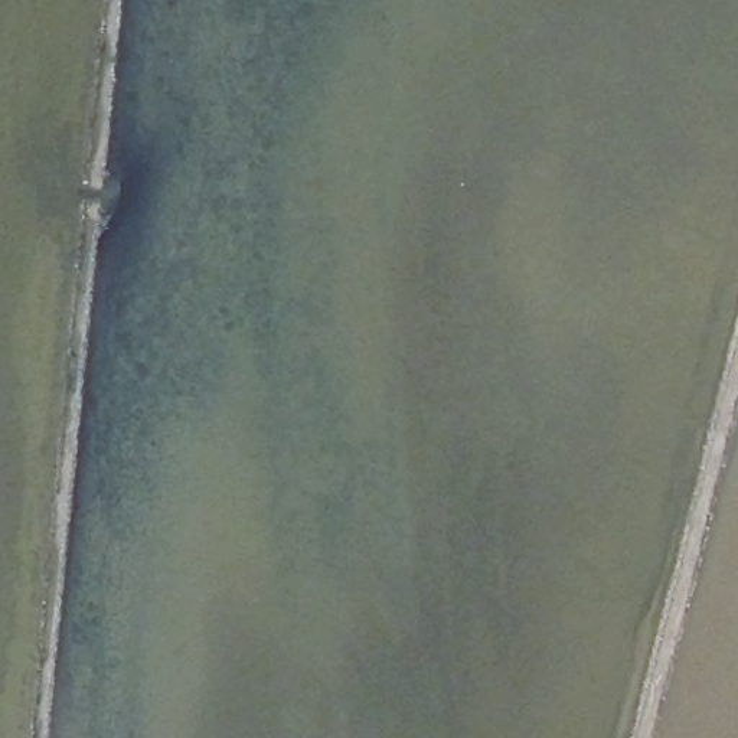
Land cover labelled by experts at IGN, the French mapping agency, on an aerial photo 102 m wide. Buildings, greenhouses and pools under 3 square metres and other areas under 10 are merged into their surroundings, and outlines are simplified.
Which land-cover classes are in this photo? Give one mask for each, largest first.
<instances>
[{"label":"water","instance_id":"1","mask_svg":"<svg viewBox=\"0 0 738 738\"><path fill-rule=\"evenodd\" d=\"M110 6L104 0H0V738H43L40 695L58 551L55 499L61 493L69 398L75 386L78 308L84 294L89 205H101L104 231L98 236L95 254L78 455L66 530L58 660L46 738H640L634 732L637 709L666 594L677 565L683 528L701 479L703 447L709 438V424L724 378L726 340L738 343V0H121L107 176L101 187H86L84 182L92 173L98 150L101 86L107 69ZM649 738H738V435L724 450V464L712 490L706 530L701 536V554L692 574V594L683 614L680 640L675 646V657L657 703L654 732Z\"/></svg>","mask_w":738,"mask_h":738},{"label":"pervious surface","instance_id":"2","mask_svg":"<svg viewBox=\"0 0 738 738\"><path fill-rule=\"evenodd\" d=\"M110 6L107 69L101 86L98 150L92 173L84 182L86 187H101L107 176L121 0H104ZM104 231L101 205H89L84 294L78 308L75 386L69 398L61 493L55 499L58 551L40 695L43 738H46L58 660L66 530L78 455L95 254L98 236ZM738 435V343L726 340L724 378L709 424V438L703 447L701 479L683 528L677 565L666 594L637 709L634 732L640 738H649L654 732L657 703L675 657V646L680 640L683 614L692 594V574L701 554V536L706 530L712 490L724 464V450Z\"/></svg>","mask_w":738,"mask_h":738}]
</instances>
